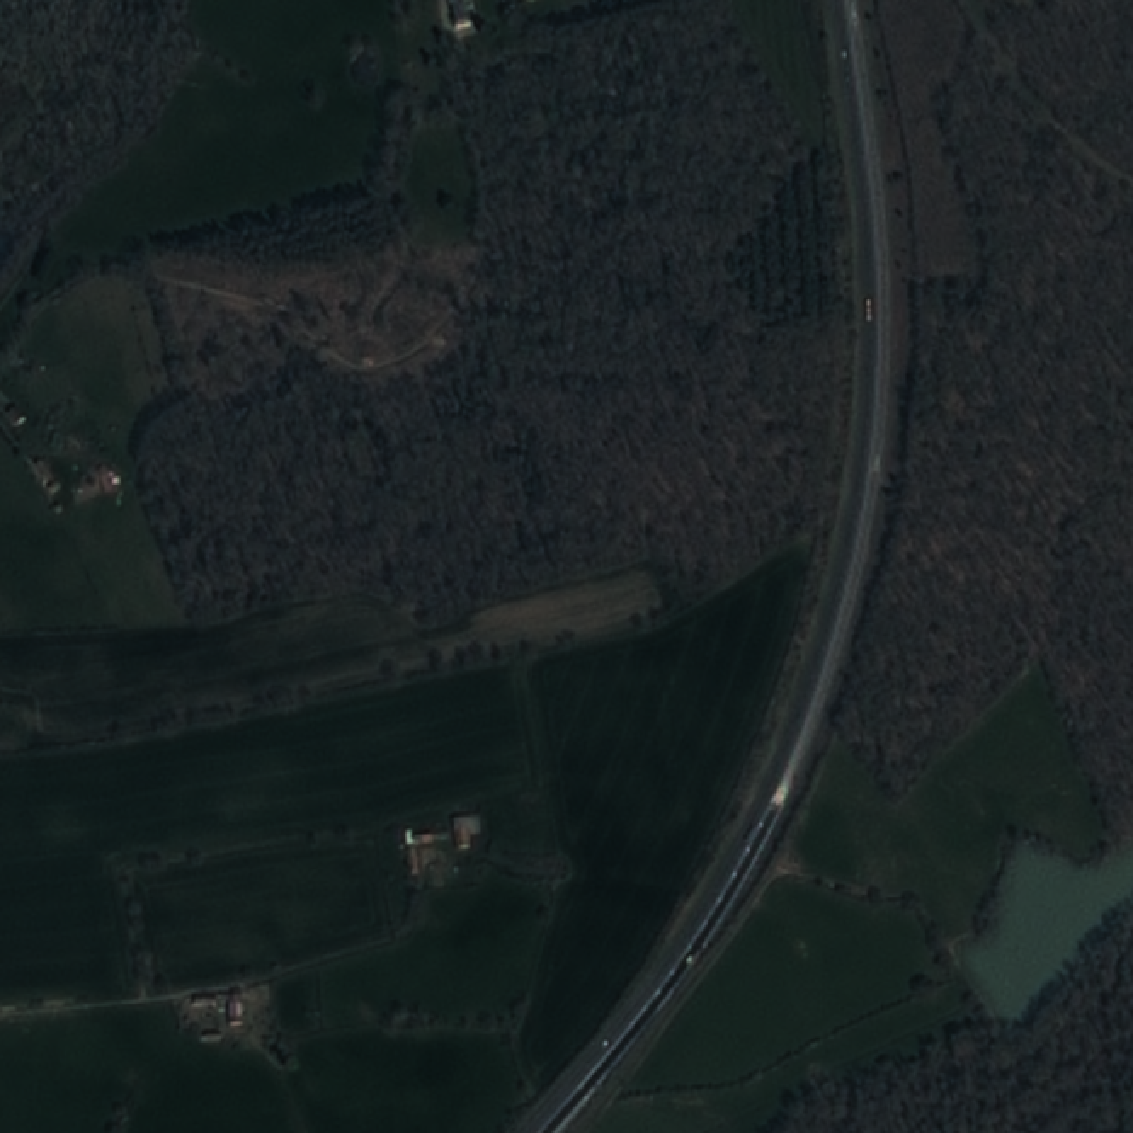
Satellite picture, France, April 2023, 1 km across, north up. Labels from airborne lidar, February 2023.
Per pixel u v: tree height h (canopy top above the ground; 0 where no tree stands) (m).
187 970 0
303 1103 0
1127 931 21
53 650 0
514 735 0
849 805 0
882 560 7
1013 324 23
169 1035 0
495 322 19
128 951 0
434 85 0
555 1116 0
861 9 0
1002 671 18
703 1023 0
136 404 0
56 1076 0
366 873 0
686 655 0
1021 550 25
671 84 23
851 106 0
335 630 0
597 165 24
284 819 0
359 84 0
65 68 30
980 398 17
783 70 0
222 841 0
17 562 0
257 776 0
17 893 0
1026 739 0
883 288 0
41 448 0
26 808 0
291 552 22
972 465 19
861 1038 0
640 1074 0
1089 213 23
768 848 0
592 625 0
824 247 12
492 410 16
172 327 24
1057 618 25
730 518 17
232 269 23
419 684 0
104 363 0
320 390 29
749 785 12
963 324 22
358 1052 0
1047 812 0
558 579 21
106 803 0
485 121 24
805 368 22
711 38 18
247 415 21
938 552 22
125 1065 0
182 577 19
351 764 0
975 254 10
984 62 22
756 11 0
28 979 0
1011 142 23
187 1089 0
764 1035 0
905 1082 25
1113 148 20
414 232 26
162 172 0
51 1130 0
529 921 0
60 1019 0
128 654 0
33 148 10
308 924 0
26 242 18
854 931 0
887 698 20
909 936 0
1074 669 25
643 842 0
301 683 0
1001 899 10
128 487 0
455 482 23
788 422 19
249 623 0
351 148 0
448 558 28
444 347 0
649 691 0
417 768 0
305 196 0
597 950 0
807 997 0
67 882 0
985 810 0
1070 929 0
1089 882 0
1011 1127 20
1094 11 29
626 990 8
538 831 0
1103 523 23
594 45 28
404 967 0
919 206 12
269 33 0
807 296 14
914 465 16
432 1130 0
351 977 0
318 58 0
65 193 18
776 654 0
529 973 0
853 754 8
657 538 16
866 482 0
